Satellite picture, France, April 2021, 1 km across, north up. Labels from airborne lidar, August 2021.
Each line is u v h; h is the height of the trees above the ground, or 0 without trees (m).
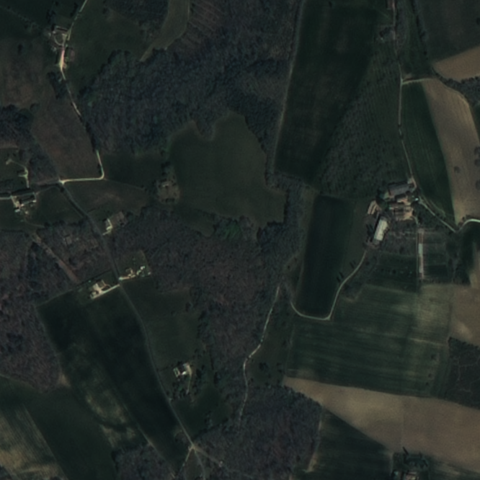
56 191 0
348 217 0
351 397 0
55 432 0
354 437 0
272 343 0
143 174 0
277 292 17
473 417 0
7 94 0
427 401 0
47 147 0
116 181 0
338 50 0
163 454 0
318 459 0
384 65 7
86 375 0
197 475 0
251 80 17
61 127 0
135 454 17
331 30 0
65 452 0
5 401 0
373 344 0
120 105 13
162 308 0
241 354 15
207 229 0
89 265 7
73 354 0
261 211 0
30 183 15
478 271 0
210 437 17
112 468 0
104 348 0
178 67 13
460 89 13
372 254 0
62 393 0
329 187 12
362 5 0
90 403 0
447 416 0
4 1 0
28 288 9
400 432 0
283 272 18
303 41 0
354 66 0
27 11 0
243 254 9
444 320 0
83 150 0
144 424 0
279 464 13
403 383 0
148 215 19
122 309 0
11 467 0
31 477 0
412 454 0
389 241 12
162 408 0
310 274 0
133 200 0
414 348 0
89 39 0
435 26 0
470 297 0
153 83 17
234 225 20
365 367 0
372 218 0
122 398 0
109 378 0
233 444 23
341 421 0
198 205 0
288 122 0
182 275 10
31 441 0
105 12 10
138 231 10
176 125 23
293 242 25
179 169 0
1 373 14
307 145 0
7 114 20
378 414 0
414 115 0
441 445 0
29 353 13
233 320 16
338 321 0
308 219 0
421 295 0
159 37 0
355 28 0
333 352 0
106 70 19
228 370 16
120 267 0
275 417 20
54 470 0
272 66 18
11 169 0
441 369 0
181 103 25
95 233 16
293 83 0
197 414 0
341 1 0
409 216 0
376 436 0
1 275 19
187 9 0
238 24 10
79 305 0
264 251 22
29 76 0
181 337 0
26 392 0
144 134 19
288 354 0
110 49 0
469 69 0
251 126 16
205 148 0
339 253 0
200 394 12
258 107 22
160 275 8
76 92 0
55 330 0
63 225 17
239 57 19
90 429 0
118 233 12
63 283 17
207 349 11
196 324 0
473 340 0
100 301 0
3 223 0
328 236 0
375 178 8
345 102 0
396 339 0
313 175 0
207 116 22
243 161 0
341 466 0
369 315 0
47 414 0
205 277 7
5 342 10
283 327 10
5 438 0
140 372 0
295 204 23
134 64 23
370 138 7
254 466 14
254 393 16
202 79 23
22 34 0
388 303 0
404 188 0
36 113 0
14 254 19
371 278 0
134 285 0
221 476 16
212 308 13
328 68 0
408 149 0
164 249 7
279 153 0
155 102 21
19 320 12
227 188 0
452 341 7
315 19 0
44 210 0
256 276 9
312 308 0
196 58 9
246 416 14
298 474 0
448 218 0
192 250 6
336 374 0
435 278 0
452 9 0
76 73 0
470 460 0
